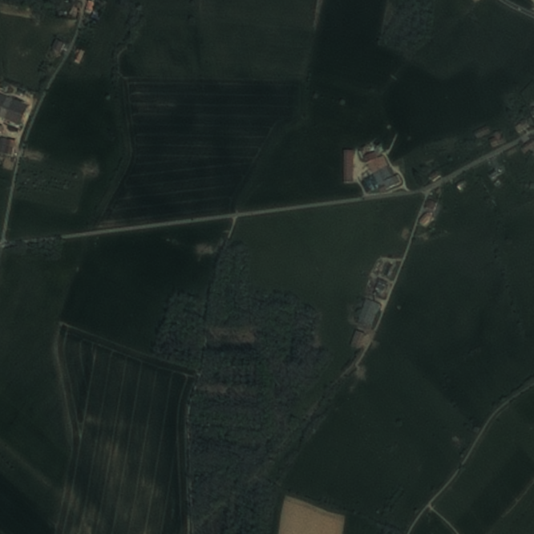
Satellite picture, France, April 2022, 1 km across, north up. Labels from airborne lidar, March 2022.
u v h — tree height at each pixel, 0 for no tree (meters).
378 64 0
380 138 0
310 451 0
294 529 0
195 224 0
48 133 0
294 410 18
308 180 0
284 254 0
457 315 0
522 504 0
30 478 0
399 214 0
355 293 0
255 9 0
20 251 19
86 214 0
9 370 0
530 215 0
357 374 0
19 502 0
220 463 24
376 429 0
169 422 0
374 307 0
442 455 0
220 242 0
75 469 0
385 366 0
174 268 0
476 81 0
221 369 19
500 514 0
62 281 0
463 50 0
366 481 0
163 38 0
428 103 0
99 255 0
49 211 0
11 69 0
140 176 0
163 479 0
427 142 0
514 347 0
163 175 0
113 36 0
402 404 0
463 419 0
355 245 0
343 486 0
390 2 0
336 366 0
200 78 0
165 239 0
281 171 0
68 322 0
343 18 0
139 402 0
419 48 13
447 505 0
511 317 0
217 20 0
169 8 0
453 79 0
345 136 0
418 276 0
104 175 0
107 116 0
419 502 0
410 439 0
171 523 0
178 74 0
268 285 0
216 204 0
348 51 0
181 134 0
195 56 0
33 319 0
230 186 0
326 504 12
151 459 0
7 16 0
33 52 0
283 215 0
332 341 0
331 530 0
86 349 0
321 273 0
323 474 0
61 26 0
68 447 0
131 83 0
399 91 0
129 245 0
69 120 0
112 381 0
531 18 0
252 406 21
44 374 0
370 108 0
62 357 0
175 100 0
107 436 0
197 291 0
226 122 0
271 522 17
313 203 0
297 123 0
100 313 0
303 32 0
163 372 0
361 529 0
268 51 0
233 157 0
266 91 0
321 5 0
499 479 0
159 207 0
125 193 0
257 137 0
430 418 0
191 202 0
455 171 0
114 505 0
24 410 0
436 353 0
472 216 0
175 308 21
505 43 0
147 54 0
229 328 24
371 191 0
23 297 0
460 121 0
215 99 0
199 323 19
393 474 0
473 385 0
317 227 0
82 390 0
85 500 0
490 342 0
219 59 0
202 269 0
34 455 0
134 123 0
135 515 0
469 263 0
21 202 0
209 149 0
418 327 0
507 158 0
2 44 0
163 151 0
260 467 16
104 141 0
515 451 0
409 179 0
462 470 9
